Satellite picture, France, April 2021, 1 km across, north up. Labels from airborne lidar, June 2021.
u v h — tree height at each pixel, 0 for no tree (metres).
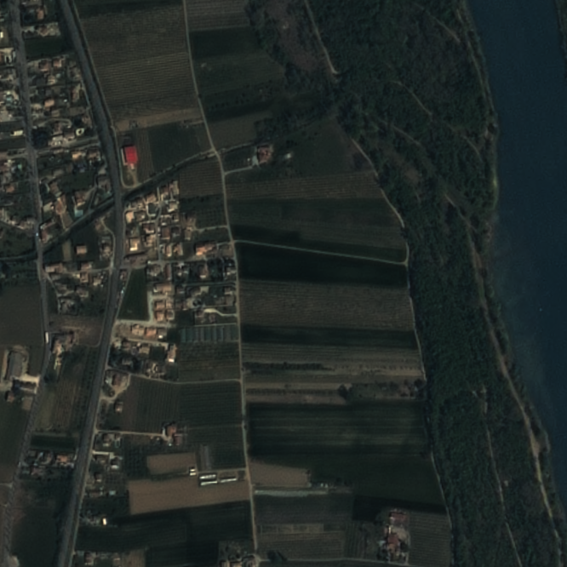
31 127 17
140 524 0
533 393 0
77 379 0
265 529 0
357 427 0
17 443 0
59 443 0
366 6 9
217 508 0
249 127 0
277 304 0
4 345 0
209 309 0
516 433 15
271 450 0
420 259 11
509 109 0
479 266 0
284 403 0
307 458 0
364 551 0
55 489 11
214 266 12
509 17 0
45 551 0
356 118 31
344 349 0
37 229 0
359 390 0
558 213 0
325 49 16
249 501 0
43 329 0
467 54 21
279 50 17
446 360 14
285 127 8
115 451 0
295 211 0
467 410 20
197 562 0
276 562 24
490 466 17
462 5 21
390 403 0
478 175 25
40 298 0
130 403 0
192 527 0
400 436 0
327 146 0
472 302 32
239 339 0
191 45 0
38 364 0
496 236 0
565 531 24
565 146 0
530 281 0
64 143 0
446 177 22
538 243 0
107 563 0
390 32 22
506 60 0
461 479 18
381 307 0
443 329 18
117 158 9
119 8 0
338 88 6
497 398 21
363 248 0
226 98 0
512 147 0
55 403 0
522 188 0
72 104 7
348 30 13
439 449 19
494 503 12
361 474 0
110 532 0
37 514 0
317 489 0
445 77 6
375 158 20
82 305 8
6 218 0
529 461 12
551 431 0
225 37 0
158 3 0
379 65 26
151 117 0
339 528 0
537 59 0
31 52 0
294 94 9
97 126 10
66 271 0
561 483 0
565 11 0
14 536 0
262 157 0
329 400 0
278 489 0
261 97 7
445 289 16
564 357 0
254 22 29
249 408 0
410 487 0
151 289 0
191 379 0
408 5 16
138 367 13
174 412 0
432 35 26
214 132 0
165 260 0
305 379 0
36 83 0
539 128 0
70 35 7
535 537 29
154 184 7
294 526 0
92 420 0
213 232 0
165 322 0
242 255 0
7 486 0
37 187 15
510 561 8
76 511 9
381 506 0
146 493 0
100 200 8
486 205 9
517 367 11
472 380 13
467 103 29
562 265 0
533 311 0
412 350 0
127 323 0
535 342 0
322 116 16
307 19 24
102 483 0
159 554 0
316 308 0
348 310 0
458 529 12
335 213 0
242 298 0
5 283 6
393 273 0
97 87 7
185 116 0
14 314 0
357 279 0
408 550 10
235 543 0
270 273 0
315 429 0
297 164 0
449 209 7
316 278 0
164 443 11
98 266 0
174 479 0
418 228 13
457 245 18
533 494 29
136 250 0
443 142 22
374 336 0
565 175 0
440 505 0
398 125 32
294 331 0
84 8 0
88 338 0
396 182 17
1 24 6
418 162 25
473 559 12
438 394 19
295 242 0
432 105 25
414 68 38
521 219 0
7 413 0
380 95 20
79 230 12
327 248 0
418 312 19
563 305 0
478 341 17
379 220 0
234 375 0
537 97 0
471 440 9
